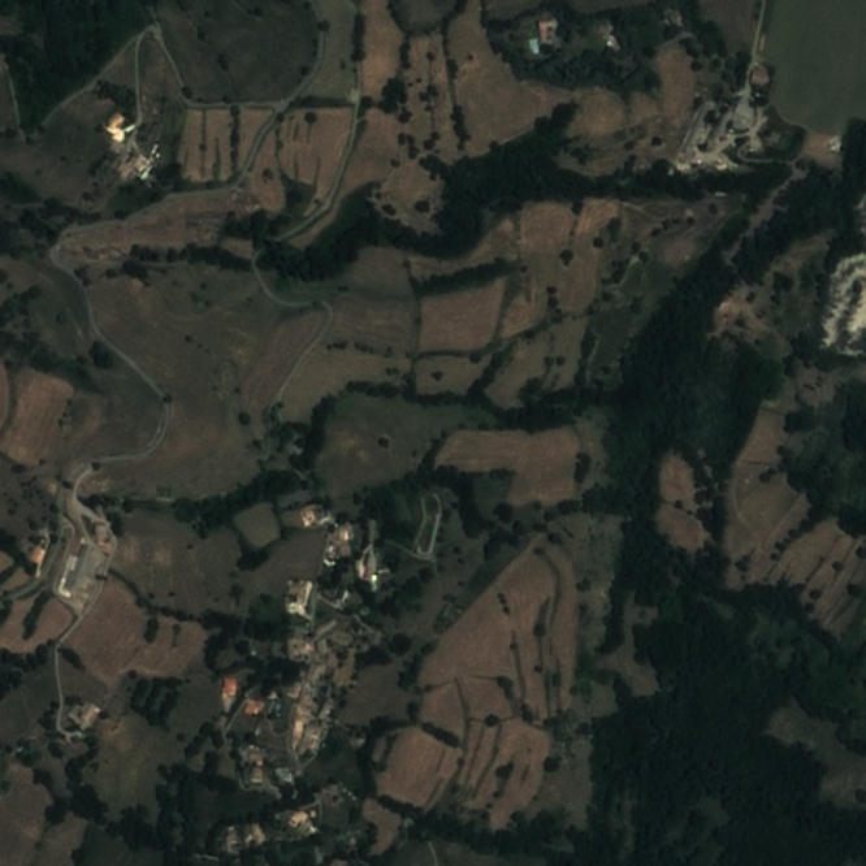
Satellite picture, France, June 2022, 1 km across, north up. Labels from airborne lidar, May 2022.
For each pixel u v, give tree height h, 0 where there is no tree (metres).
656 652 17
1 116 0
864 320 0
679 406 16
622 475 9
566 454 0
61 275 0
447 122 0
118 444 0
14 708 0
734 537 0
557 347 0
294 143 0
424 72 0
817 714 16
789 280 13
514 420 14
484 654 0
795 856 8
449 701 0
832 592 0
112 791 0
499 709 0
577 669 7
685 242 0
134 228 0
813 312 0
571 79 20
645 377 16
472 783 0
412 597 7
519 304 0
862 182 12
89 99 0
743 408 17
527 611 0
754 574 0
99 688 0
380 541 10
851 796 0
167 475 0
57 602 0
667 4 14
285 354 0
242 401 0
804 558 0
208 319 0
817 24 0
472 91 0
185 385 0
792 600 11
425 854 0
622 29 12
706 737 11
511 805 0
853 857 9
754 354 7
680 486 0
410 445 0
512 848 17
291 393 0
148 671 0
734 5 0
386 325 0
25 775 0
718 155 0
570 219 0
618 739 15
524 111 0
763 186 9
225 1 0
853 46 0
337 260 16
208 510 11
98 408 0
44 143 0
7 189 10
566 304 0
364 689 0
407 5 0
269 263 15
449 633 0
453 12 7
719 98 7
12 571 7
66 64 13
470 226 15
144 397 0
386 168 0
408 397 14
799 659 14
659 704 20
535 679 0
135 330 0
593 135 0
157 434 0
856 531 11
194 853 13
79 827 0
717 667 13
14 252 12
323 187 0
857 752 13
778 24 0
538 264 0
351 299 0
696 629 17
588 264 0
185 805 17
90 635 0
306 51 0
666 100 0
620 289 0
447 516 11
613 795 12
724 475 10
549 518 10
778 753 9
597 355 0
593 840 16
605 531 0
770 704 13
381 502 10
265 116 0
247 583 0
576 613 0
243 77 0
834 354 7
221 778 12
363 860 11
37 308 0
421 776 0
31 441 0
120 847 0
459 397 17
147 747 0
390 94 12
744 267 9
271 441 0
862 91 0
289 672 13
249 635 10
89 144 0
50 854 0
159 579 0
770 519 0
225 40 0
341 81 0
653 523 15
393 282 0
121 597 0
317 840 17
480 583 0
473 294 0
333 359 0
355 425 0
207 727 13
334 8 0
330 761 0
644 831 13
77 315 0
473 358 8
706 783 15
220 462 0
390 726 7
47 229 16
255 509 0
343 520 12
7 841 0
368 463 0
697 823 13
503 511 12
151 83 0
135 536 0
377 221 26
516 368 0
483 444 0
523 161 11
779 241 9
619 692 12
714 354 8
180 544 0
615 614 15
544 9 12
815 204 16
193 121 0
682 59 0
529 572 0
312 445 15
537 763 0
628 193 15
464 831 8
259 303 0
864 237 10
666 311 10
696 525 0
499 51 12
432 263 0
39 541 7
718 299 7
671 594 16
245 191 0
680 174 11
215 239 0
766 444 0
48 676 0
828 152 0
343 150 0
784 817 12
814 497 12
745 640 14
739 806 8
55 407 0
